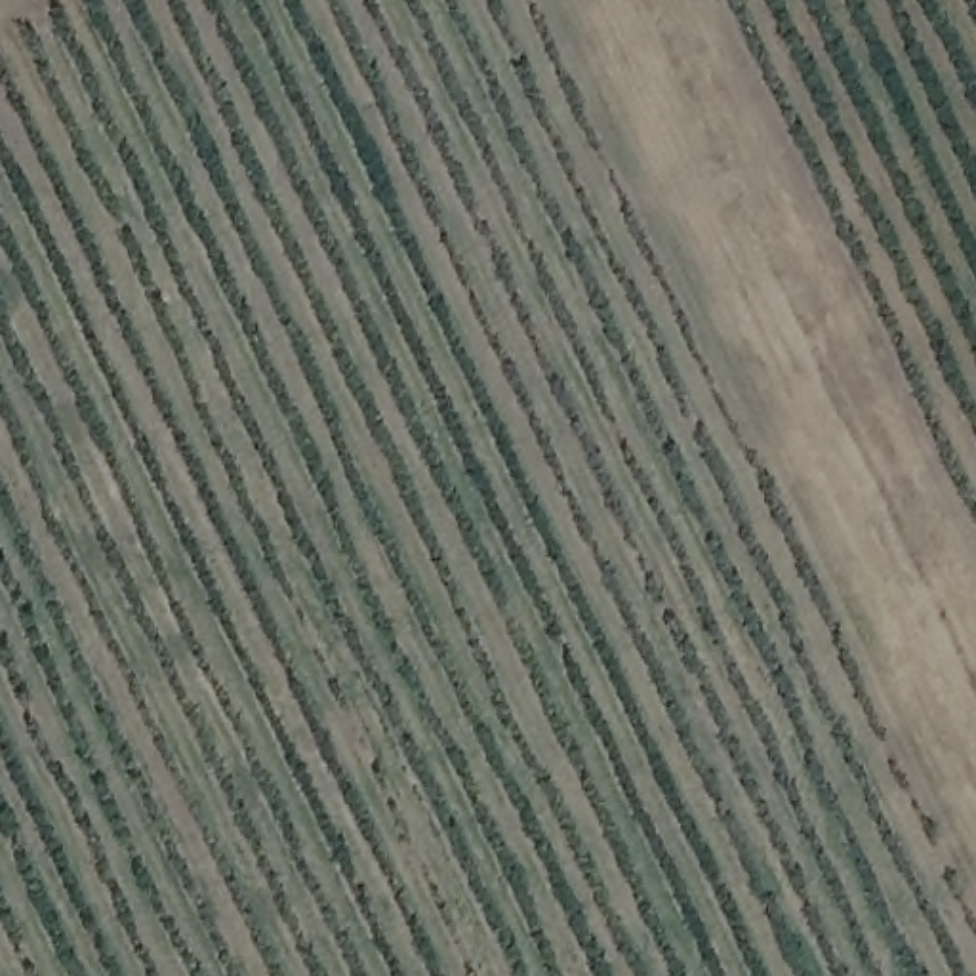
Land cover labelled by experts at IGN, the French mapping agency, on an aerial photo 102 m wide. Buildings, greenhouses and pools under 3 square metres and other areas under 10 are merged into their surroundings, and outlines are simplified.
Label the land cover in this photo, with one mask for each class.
<instances>
[{"label":"herbaceous vegetation","instance_id":"1","mask_svg":"<svg viewBox=\"0 0 976 976\"><path fill-rule=\"evenodd\" d=\"M221 27L236 31L244 57L252 61L275 114L286 126V137L297 153V168L309 179L332 225V236L339 240L351 278L389 355L400 366L419 423L435 442L438 461L446 465L454 492L465 503L469 522H488V511L473 480L465 477L461 454L450 431L442 427L438 404L400 336V324L385 305V294L374 282V271L366 267L351 221L339 198L332 194L328 175L320 172L316 149L309 145V133L294 103L282 92L263 34L255 31L244 0H0V477L15 499V511L31 534V545L50 583L57 587L65 621L76 633L80 652L107 705L118 717V732L126 736V743L137 755V766L153 782V797L175 831V850L187 858L191 873L206 881L210 904L217 911V930L229 953L244 965V976H671L652 930L641 923L633 892L602 835V824L591 812L568 755L560 751L541 713L530 671L522 667L503 629L499 606L461 541V530L416 438L404 427V416L397 412L389 381L377 370V358L358 328V316L339 286V275L301 210V198L286 179L275 141L252 107V95L225 42L217 38ZM263 11L278 34V46L290 69L297 72V84L316 114L320 133L328 137L339 160V172L355 191L366 229L431 355V366L438 370L454 400V412L465 423V435L492 480V492L515 530V541L522 545L560 621V637L568 641L621 747L633 785L694 896V907L709 930L724 976H751L732 942L728 919L709 888V877L702 873L675 812L667 808L648 770L633 724L606 679V667L599 663L576 618V606L568 602V591L553 560L545 557V545L522 499L515 496L496 438L488 435V423L458 362L450 358L442 328L427 309L423 286L404 248L393 240V225L381 202L374 198L355 137L328 99V88L309 57L305 38L294 31L286 0H271ZM309 19L320 31L347 95L355 99L370 137L381 149L400 210L511 431L519 461L534 492L541 496V507L553 519V530L641 702L648 732L656 736L682 801L690 804L705 843L713 846L724 885L732 888L736 907L770 976H793L778 949V938L789 930L801 934L820 976H976V938L961 919L957 900L949 896L942 869H957L976 911V526L934 454L911 385L892 351V339L873 313L869 290L850 263L846 244L831 229L812 172L774 107V95L759 76V65L740 34L728 0H313ZM766 469L774 473L778 496L808 549V560L835 606L850 656L858 660L862 679L888 728L881 740L869 732L850 694V682L835 660L831 633L824 629L808 599V587L793 568L782 530L766 515L755 480ZM747 11L755 15L774 72L782 76L789 103L797 107L804 130L812 133L827 164L843 214L865 244L869 267L885 286V297L904 328L907 351L915 355L926 377L934 412L949 431V442L968 473V484L976 488V438L968 431L965 412L957 408L953 389L938 370L934 347L915 309L907 305L896 282V267L877 240L873 221L865 217L854 194V183L843 172L835 141L827 137V126L785 42L778 38L766 0H751ZM793 27L816 57V69L835 99L843 130L854 141L858 164L873 183L907 252L915 282L930 301L934 316L942 320V332L976 400V362L804 0H797L789 8ZM835 27L854 57L858 80L881 114L892 153L907 172L915 198L923 202V214L976 320V278L869 61L865 38L858 34L850 8L843 0H839L831 8ZM865 8L892 53V65L911 95L923 133L930 137V149L953 187V198L976 233V194L965 179V168L949 137L938 126V114L926 99L915 65L904 53V38L885 0H869ZM915 38L923 42L934 72L942 76L949 107L976 153V107L968 103L942 38L926 19L923 0H919L911 8ZM949 23L957 27L976 65V0H953L946 8ZM0 713L126 976H145L114 915L111 892L95 877L88 839L76 827L53 774L34 755V743L23 728V713H34L53 759L72 778L80 808L92 816V827L99 831L111 877L118 881L133 911L137 934L149 946L160 976H191L130 877V862L122 858L118 839L111 835L103 808L95 804L92 778L72 755L46 675L31 656L23 618L0 583ZM0 793L19 824L23 846L88 976H107L38 839V827L0 759ZM0 976H65L38 911L23 892L11 843L8 835H0Z\"/></svg>","mask_w":976,"mask_h":976},{"label":"deciduous trees","instance_id":"2","mask_svg":"<svg viewBox=\"0 0 976 976\"><path fill-rule=\"evenodd\" d=\"M255 31L263 34L282 92L294 103L309 133V145L316 149L320 172L328 175L332 194L339 198L351 221L366 267L374 271V282L385 294V305L400 324V336L438 404L442 427L450 431L461 454L465 477L473 480L488 511V522H469L465 503L454 492L446 465L438 461L435 442L419 423L400 366L389 355L351 278L339 240L332 236V225L309 179L297 168V153L286 137V126L275 114L252 61L244 57L236 31L221 27L217 38L225 42L252 95V107L275 141L286 179L301 198V210L339 275V286L358 316V328L377 358V370L389 381L397 412L404 416V427L416 438L461 530V541L499 606L503 629L522 667L530 671L541 713L560 751L568 755L591 812L602 824V835L633 892L641 923L652 930L671 976H724L709 930L694 907V896L633 785L621 747L568 641L560 637V621L522 545L515 541V530L492 492V480L465 435V423L454 412V400L438 370L431 366V355L366 229L355 191L339 172V160L328 137L320 133L316 114L297 84V72L290 69L278 46V34L263 11L271 0H244ZM294 31L305 38L309 57L328 88V99L355 137L374 198L381 202L393 225V240L404 248L423 286L427 309L442 328L450 358L458 362L488 423V435L496 438L515 496L522 499L545 545V557L553 560L568 591V602L576 606V618L599 663L606 667V679L633 724L648 770L667 808L675 812L702 873L709 877V888L728 919L732 942L751 976H770L736 907L732 888L724 885L713 846L705 843L690 804L682 801L656 736L648 732L641 702L553 530V519L541 507V496L534 492L519 461L511 431L400 210L381 149L370 137L355 99L347 95L320 31L309 19L313 0H286ZM740 34L759 65V76L774 95V107L812 172L831 229L846 244L850 263L869 290L873 313L892 339V351L911 385L934 454L976 526V488L968 484V473L949 442V431L934 412L926 377L915 355L907 351L904 328L885 297V286L869 267L865 244L843 214L827 164L812 133L804 130L797 107L789 103L782 76L774 72L755 15L747 11L751 0H728ZM778 38L785 42L827 126V137L835 141L843 172L854 183V194L865 217L873 221L877 240L896 267V282L907 305L915 309L934 347L938 370L953 389L957 408L965 412L968 431L976 438V400L942 332V320L934 316L930 301L915 282L907 252L873 183L858 164L854 141L843 130L835 99L816 69V57L793 27L789 8L797 0H766ZM976 362V320L923 214V202L915 198L907 172L892 153L881 114L858 80L854 57L835 27L831 8L839 0H804ZM850 8L858 34L865 38L869 61L976 278V233L953 198V187L930 149V137L923 133L911 95L892 65V53L865 8L869 0H843ZM904 38V53L915 65L926 99L938 114V126L949 137L965 168V179L976 194V153L949 107L942 76L934 72L923 42L915 38L911 8L919 0H885ZM953 0H923L926 19L942 38L968 103L976 107V65L957 27L949 23L946 8ZM755 480L766 515L782 530L793 568L808 587V599L824 629L831 633L835 660L850 682V694L869 732L881 740L888 728L862 679L858 660L850 656L835 606L808 560V549L778 496L774 473L766 469ZM0 583L23 618L31 656L46 675L72 755L92 778L95 804L103 808L111 835L118 839L122 858L130 862V877L191 976H244V965L229 953L217 930V911L210 904L206 881L191 873L187 858L175 850V831L153 797V782L137 766V755L126 743V736L118 732V717L107 705L80 652L76 633L65 621L57 587L50 583L31 545V534L15 511V499L0 477ZM0 759L38 827V839L107 976H126L0 713ZM23 728L34 743V755L53 774L76 827L88 839L95 877L111 892L114 915L145 976H160L149 946L137 934L133 911L118 881L111 877L99 831L92 827V816L80 808L72 778L53 759L34 713H23ZM0 835H8L11 843L23 892L38 911L65 976H88L23 846L19 824L0 793ZM949 896L957 900L961 919L976 938V911L957 869H942ZM778 949L793 976H820L801 934L789 930L778 938Z\"/></svg>","mask_w":976,"mask_h":976}]
</instances>
